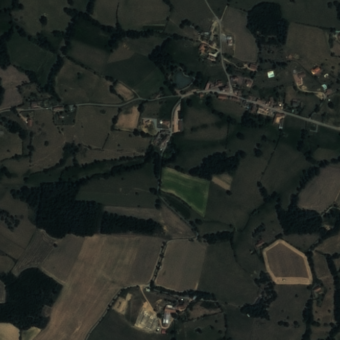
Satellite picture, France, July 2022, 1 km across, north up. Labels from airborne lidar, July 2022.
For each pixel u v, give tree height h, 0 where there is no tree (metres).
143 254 0
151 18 0
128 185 0
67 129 0
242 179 0
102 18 0
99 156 0
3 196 0
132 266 0
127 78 0
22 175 0
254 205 0
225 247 0
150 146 8
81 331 0
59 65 17
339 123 0
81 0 0
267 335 0
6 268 0
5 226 0
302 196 0
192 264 0
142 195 0
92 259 0
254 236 10
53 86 17
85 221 22
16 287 7
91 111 0
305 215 18
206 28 0
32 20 0
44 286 6
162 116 0
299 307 0
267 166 0
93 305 0
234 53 0
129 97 0
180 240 0
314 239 0
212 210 0
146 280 0
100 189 0
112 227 11
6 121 15
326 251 0
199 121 0
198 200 0
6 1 0
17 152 0
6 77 0
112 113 0
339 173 0
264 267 0
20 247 0
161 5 0
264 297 6
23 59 0
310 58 0
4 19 0
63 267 0
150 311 0
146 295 0
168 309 0
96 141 0
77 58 0
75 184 8
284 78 0
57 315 0
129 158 13
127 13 0
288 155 0
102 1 0
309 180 19
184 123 0
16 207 0
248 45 0
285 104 7
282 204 10
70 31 25
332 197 0
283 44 6
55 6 0
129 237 0
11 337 0
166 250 0
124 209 0
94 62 0
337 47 0
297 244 0
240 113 0
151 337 0
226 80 0
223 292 0
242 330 0
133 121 0
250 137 0
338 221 13
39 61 0
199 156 0
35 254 0
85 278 0
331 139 0
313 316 14
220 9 10
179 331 0
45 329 0
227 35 0
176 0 0
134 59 0
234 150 0
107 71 0
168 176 0
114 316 0
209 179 16
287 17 0
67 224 18
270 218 0
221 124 0
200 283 0
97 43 0
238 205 0
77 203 23
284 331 0
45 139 0
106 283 0
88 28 0
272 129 0
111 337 0
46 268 0
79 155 0
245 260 0
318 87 0
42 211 15
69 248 0
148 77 0
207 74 0
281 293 0
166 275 0
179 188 0
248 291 0
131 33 24
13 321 13
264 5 15
